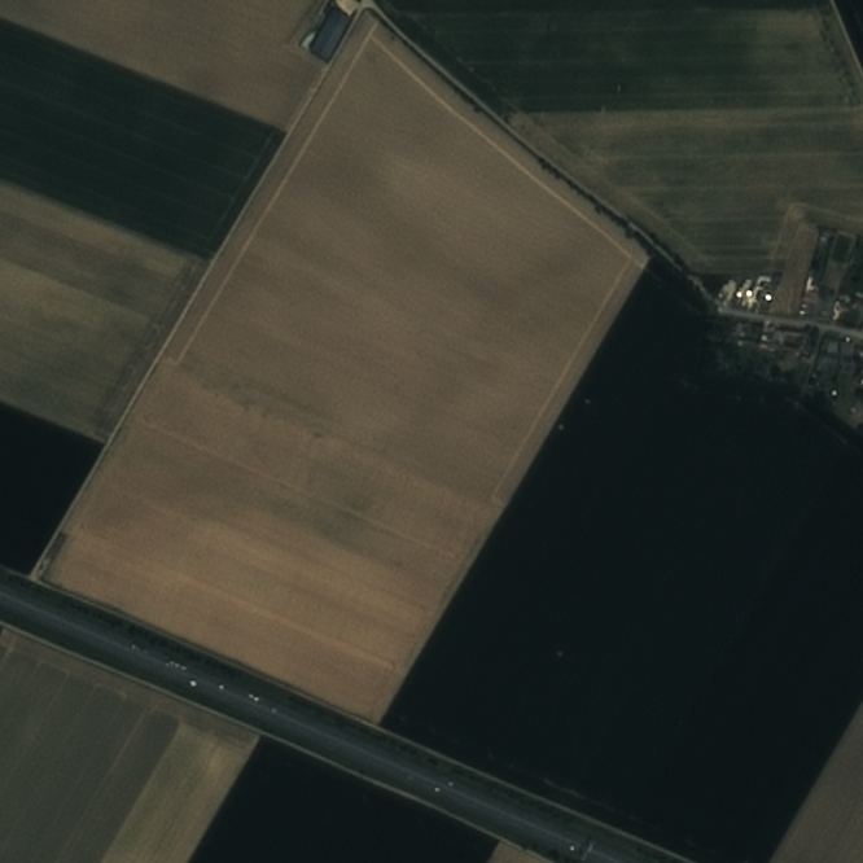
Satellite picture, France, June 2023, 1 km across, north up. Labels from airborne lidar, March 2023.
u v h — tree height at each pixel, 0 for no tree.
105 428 0
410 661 0
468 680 0
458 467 0
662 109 0
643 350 0
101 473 0
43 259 0
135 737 0
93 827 0
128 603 0
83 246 0
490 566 0
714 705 0
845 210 0
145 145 0
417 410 0
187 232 0
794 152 0
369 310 0
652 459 0
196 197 0
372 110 0
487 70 0
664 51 0
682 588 0
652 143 0
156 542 0
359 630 0
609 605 0
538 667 0
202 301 0
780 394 0
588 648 0
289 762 0
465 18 0
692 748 0
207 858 0
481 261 0
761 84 0
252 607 0
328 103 0
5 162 0
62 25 0
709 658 0
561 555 0
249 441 0
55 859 0
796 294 0
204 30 0
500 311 0
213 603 0
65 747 0
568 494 0
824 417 0
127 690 0
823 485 0
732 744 0
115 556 0
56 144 0
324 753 0
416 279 0
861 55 0
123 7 0
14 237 0
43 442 0
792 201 0
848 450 0
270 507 0
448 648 0
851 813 0
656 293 0
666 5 0
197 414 0
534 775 0
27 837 0
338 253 0
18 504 0
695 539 0
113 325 0
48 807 0
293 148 0
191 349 0
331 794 0
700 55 0
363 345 0
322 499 0
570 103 0
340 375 0
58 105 0
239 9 0
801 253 0
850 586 0
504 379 0
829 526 0
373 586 0
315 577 0
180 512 0
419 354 0
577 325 0
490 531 0
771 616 0
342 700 0
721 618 0
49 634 0
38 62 0
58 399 0
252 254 0
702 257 0
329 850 0
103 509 0
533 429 0
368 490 0
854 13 0
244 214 0
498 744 0
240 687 0
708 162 0
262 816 0
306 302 0
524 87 0
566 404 0
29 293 0
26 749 0
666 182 0
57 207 0
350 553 0
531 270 0
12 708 0
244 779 0
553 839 0
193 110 0
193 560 0
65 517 0
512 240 0
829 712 0
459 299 0
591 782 0
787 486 0
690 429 0
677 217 0
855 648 0
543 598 0
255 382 0
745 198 0
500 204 0
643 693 0
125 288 0
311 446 0
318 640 0
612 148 0
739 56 0
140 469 0
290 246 0
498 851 0
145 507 0
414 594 0
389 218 0
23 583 6
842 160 0
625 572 0
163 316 0
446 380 0
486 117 0
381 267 0
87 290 0
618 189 0
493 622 0
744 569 0
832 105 0
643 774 0
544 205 0
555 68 0
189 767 0
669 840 0
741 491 0
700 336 0
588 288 0
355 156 0
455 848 0
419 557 0
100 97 0
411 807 0
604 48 0
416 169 0
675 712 0
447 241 0
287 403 0
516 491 0
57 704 0
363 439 0
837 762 0
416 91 0
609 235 0
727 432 0
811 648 0
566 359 0
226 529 0
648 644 0
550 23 0
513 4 0
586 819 0
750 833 0
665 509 0
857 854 0
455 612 0
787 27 0
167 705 0
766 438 0
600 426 0
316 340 0
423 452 0
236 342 0
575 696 0
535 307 0
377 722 0
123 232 0
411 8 0
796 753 0
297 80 0
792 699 0
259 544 0
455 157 0
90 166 0
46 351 0
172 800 0
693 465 0
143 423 0
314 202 0
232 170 0
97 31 0
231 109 0
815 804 0
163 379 0
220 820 0
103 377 0
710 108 0
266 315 0
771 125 0
